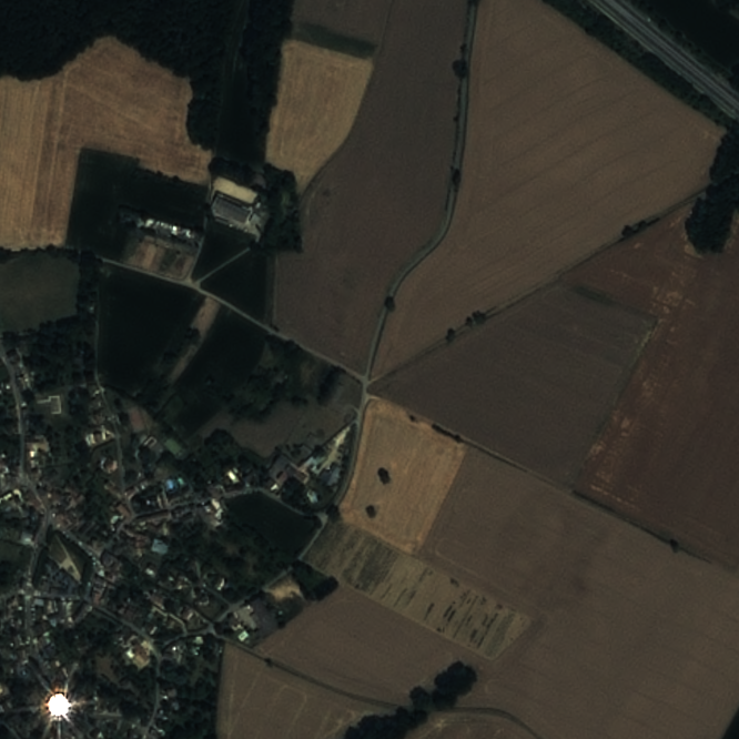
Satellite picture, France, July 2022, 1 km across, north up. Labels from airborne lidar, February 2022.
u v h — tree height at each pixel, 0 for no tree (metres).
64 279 0
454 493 0
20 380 0
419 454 0
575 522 0
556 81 0
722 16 0
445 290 0
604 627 0
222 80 6
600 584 0
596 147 0
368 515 9
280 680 0
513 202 0
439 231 0
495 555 0
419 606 0
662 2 0
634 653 0
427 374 0
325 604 0
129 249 0
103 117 0
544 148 0
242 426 0
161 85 0
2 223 0
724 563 0
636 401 0
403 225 0
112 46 0
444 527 0
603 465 0
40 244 0
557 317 0
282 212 12
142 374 0
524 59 0
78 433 6
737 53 0
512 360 0
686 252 0
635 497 0
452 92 0
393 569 0
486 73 0
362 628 0
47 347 22
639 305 0
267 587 0
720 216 13
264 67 24
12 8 25
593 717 0
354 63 0
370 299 0
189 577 11
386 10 0
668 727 0
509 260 0
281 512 0
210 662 9
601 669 0
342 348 0
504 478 0
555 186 0
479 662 0
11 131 0
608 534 0
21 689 16
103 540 6
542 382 0
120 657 6
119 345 0
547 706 0
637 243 0
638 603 0
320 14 0
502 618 0
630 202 0
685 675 0
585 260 0
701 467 0
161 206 0
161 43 18
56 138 0
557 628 0
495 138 0
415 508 0
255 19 23
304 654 0
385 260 0
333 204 0
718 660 0
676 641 0
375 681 0
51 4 28
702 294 0
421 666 0
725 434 0
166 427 6
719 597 0
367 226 0
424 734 0
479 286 0
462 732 0
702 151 0
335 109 0
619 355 0
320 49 0
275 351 18
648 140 0
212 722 8
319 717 0
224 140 0
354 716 0
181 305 0
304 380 0
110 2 28
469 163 0
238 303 0
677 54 0
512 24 0
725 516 0
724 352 0
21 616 7
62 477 0
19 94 0
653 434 0
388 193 0
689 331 0
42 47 26
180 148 0
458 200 0
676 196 0
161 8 30
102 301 0
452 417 0
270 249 14
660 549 0
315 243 0
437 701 17
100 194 0
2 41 28
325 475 0
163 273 0
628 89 0
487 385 0
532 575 0
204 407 0
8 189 0
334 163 0
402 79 0
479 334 0
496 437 0
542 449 0
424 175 0
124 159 0
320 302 0
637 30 0
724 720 0
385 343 0
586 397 0
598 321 0
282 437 0
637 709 0
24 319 0
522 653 0
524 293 0
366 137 0
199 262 0
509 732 0
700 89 0
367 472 0
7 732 17
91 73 0
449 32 0
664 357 0
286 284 0
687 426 0
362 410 0
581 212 0
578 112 0
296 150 0
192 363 0
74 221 0
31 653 0
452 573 0
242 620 0
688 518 0
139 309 0
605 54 0
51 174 0
